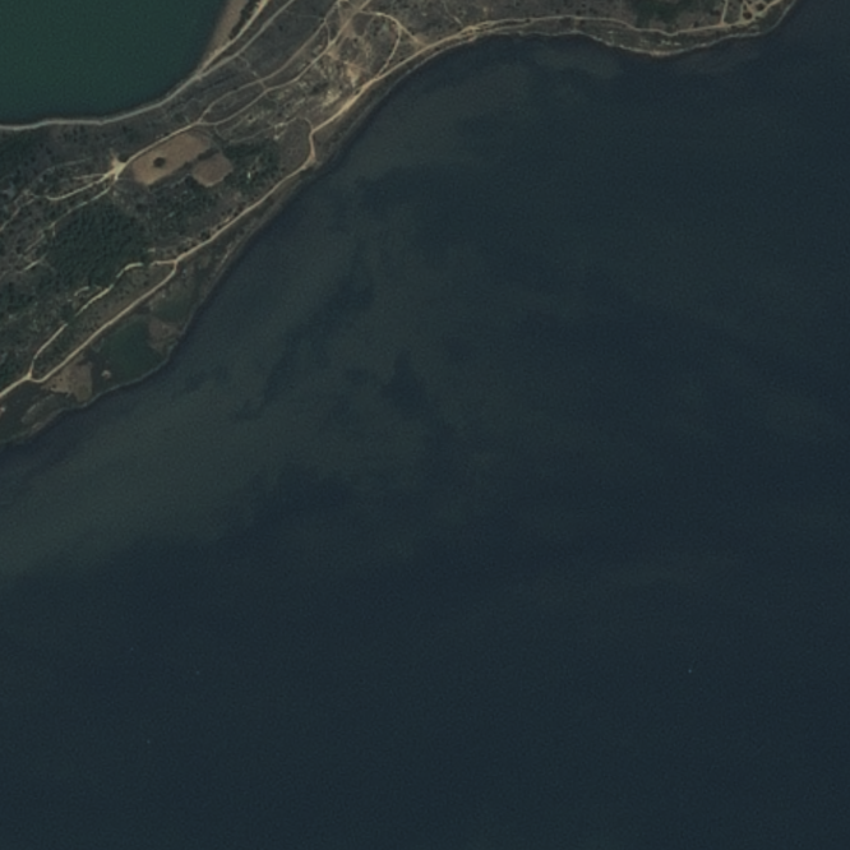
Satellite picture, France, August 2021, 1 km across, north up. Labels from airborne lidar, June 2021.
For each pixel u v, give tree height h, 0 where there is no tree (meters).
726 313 0
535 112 0
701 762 0
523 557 0
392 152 0
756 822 0
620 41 0
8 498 0
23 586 0
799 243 0
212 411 0
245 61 0
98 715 0
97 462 0
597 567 0
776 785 0
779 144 0
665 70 0
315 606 0
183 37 0
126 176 0
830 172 0
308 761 0
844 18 0
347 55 0
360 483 0
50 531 0
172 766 0
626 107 0
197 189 8
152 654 0
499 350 0
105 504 0
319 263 0
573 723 0
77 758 0
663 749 0
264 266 0
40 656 0
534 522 0
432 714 0
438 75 0
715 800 0
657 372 0
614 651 0
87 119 0
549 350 0
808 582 0
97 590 0
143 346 0
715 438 0
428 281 0
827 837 0
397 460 0
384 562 0
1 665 0
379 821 0
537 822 0
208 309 0
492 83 0
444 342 0
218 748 0
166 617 0
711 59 0
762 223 0
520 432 0
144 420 0
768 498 0
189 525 0
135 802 0
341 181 0
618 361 0
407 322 0
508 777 0
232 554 0
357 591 0
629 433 0
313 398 0
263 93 0
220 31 0
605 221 0
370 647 0
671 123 0
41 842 0
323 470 0
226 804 0
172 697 0
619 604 0
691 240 0
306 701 0
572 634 0
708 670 0
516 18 0
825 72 0
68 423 0
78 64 0
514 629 0
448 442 0
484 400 0
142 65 0
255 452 0
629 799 0
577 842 0
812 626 0
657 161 0
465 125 0
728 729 0
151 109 0
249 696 0
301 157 0
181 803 0
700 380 0
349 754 0
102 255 8
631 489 0
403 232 0
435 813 0
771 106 0
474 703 0
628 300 0
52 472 0
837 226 0
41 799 0
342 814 0
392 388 0
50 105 0
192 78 0
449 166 0
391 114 0
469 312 0
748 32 0
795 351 0
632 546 0
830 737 0
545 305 0
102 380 0
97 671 0
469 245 0
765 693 0
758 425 0
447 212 0
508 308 0
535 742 0
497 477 0
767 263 0
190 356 0
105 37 0
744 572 0
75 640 0
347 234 0
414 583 0
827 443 0
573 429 0
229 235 0
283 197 0
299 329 0
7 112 0
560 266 0
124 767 0
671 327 0
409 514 0
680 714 0
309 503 0
